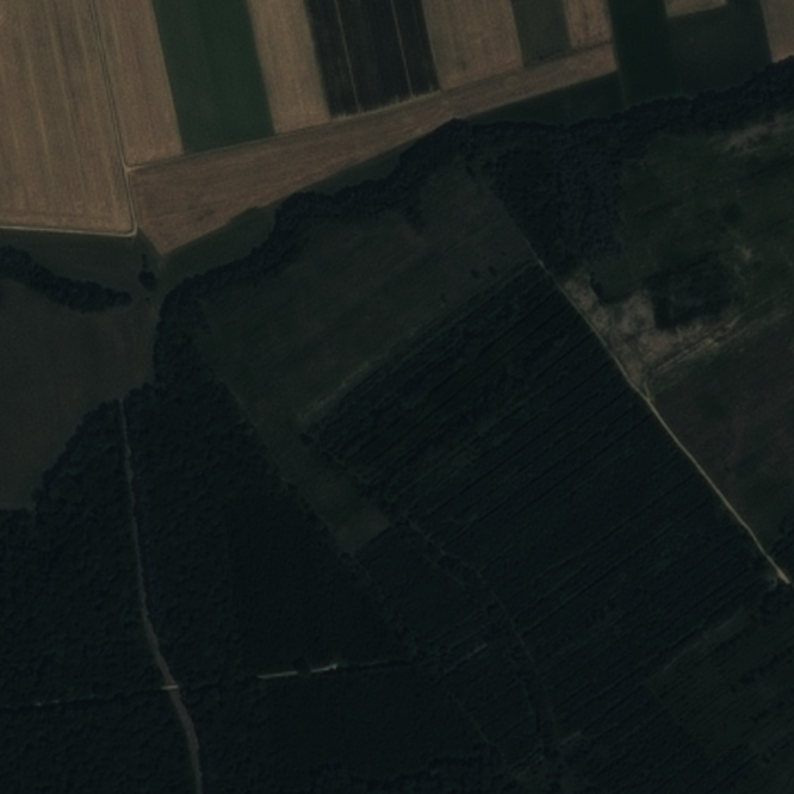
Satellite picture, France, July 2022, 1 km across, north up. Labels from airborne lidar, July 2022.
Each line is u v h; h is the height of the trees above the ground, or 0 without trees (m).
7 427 0
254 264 18
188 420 23
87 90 0
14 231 0
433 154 21
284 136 0
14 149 0
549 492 9
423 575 8
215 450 23
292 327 0
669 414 0
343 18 0
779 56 0
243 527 9
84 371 0
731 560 8
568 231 22
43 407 0
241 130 0
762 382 0
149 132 0
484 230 0
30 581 20
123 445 17
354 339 0
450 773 23
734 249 0
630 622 6
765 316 0
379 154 0
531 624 8
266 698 21
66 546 19
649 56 0
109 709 24
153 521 22
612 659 7
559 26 0
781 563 8
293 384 0
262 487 19
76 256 0
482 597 13
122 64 0
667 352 0
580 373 9
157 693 13
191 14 0
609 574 8
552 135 17
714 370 0
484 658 6
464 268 0
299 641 9
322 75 0
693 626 6
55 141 0
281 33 0
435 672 9
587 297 0
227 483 21
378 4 0
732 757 9
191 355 21
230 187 0
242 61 0
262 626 11
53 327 0
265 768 21
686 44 0
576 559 7
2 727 15
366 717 10
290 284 0
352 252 0
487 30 0
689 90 0
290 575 9
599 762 6
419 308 0
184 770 22
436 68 0
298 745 9
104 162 0
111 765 16
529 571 7
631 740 7
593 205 22
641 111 16
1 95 0
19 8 0
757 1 0
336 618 10
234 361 0
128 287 0
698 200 0
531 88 0
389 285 0
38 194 0
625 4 0
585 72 0
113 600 22
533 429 8
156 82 0
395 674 10
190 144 0
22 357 0
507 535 6
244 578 10
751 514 0
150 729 17
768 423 0
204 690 23
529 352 7
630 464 8
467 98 0
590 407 8
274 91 0
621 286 0
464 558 9
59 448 0
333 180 0
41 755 20
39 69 0
